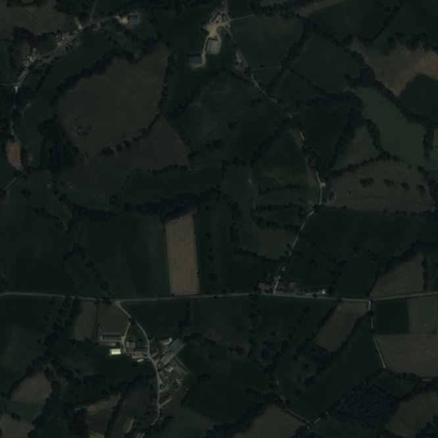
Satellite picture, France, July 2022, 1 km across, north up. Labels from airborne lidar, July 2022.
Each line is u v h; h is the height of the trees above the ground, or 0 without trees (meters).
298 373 0
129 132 0
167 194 0
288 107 15
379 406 27
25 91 18
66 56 0
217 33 0
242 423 20
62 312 17
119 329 0
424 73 0
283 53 0
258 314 12
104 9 0
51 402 20
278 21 0
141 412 0
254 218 18
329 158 0
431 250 20
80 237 0
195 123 0
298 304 0
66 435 0
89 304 0
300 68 0
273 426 0
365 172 0
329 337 0
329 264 9
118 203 0
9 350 0
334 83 0
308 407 0
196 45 0
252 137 0
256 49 0
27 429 0
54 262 0
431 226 0
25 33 23
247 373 0
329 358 14
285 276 14
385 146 0
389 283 0
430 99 0
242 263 0
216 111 0
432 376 0
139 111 0
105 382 14
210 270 0
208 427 0
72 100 0
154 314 0
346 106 0
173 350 0
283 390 0
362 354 0
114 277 0
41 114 0
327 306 0
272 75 0
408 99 0
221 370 0
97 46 0
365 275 0
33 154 0
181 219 0
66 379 15
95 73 16
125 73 0
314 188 0
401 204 0
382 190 0
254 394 19
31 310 0
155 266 0
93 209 0
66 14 7
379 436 15
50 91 0
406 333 0
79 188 0
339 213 0
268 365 0
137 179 0
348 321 0
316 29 21
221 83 0
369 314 16
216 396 0
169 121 23
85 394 0
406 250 0
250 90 0
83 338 0
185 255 0
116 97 0
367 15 0
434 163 0
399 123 0
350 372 0
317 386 0
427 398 0
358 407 23
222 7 0
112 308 0
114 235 0
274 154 0
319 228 0
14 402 0
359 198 0
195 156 19
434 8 0
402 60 0
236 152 0
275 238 0
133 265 0
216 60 0
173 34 0
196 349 0
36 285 0
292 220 0
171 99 0
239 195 0
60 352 0
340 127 0
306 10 0
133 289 0
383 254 0
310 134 0
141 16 0
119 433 0
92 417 0
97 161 0
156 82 0
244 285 0
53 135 16
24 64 0
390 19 21
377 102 0
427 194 0
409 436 0
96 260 0
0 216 0
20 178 19
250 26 0
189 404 0
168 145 0
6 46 0
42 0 8
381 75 0
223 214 0
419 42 17
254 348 12
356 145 0
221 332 0
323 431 0
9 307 0
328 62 0
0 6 0
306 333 0
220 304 0
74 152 18
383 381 0
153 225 0
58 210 0
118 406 9
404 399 12
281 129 18
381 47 0
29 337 0
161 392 0
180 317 0
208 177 0
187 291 0
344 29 0
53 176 8
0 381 0
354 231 0
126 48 0
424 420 0
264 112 0
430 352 0
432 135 13
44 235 0
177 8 20
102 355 0
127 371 0
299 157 0
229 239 0
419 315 0
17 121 22
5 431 0
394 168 0
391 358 0
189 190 0
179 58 0
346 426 0
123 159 0
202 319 0
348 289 0
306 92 0
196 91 17
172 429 0
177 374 0
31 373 21
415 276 0
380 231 0
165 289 0
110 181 0
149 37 0
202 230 0
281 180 0
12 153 0
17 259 0
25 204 0
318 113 0
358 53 11
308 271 0
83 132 0
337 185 0
